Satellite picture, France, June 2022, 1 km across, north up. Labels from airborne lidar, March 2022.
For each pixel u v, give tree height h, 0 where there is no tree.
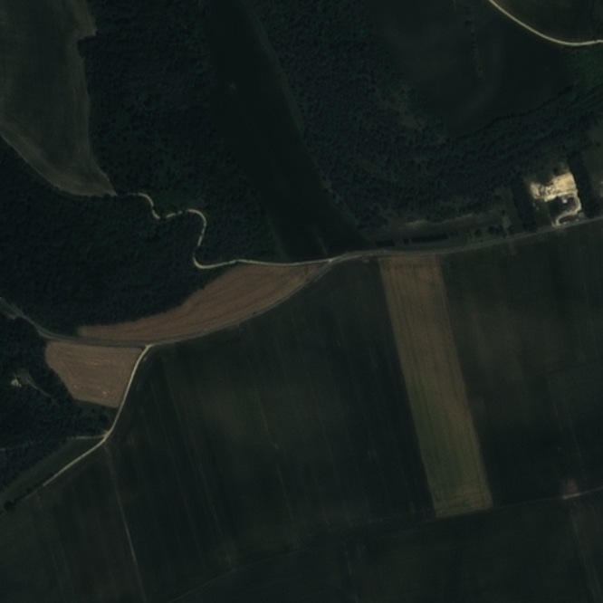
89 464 0
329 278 0
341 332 0
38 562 0
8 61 0
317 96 9
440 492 0
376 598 0
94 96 6
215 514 0
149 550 0
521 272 0
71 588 0
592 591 0
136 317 15
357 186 16
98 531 0
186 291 17
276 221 0
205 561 0
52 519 0
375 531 0
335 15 7
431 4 0
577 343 0
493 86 0
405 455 0
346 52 14
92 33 0
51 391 19
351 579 0
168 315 0
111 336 0
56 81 0
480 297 0
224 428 0
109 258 13
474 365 0
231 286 0
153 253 17
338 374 0
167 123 22
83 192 0
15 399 13
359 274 0
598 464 0
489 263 0
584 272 0
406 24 0
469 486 0
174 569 0
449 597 0
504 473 0
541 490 0
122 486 0
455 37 0
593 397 0
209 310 0
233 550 0
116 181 16
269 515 0
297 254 0
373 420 0
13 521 0
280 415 0
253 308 0
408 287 0
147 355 0
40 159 0
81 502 0
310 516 0
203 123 20
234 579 0
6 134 0
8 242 18
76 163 0
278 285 0
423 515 0
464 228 0
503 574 0
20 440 16
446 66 0
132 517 0
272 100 0
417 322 0
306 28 17
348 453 0
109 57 20
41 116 0
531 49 0
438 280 0
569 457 0
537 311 0
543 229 0
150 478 0
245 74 0
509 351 0
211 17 0
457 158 12
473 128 0
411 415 0
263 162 0
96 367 0
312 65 21
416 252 0
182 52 27
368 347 0
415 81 0
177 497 0
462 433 0
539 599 0
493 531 0
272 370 0
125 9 20
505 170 10
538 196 0
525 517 0
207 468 0
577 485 0
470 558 0
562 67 0
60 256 15
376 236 0
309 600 0
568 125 6
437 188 10
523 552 0
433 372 0
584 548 0
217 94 0
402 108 0
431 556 0
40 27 0
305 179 0
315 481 0
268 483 0
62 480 0
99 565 0
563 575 0
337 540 0
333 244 0
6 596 0
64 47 0
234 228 16
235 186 21
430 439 0
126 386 0
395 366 0
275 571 0
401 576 0
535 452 0
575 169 16
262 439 0
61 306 17
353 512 0
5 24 0
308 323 0
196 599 0
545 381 0
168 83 23
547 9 0
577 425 0
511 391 0
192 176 14
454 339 0
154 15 21
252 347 0
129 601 0
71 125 0
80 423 18
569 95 15
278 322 0
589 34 0
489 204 14
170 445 0
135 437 0
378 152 10
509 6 0
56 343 0
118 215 10
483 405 0
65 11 0
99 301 15
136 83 12
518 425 0
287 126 0
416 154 8
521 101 0
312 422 0
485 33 0
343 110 15
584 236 0
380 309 0
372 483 0
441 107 0
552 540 0
